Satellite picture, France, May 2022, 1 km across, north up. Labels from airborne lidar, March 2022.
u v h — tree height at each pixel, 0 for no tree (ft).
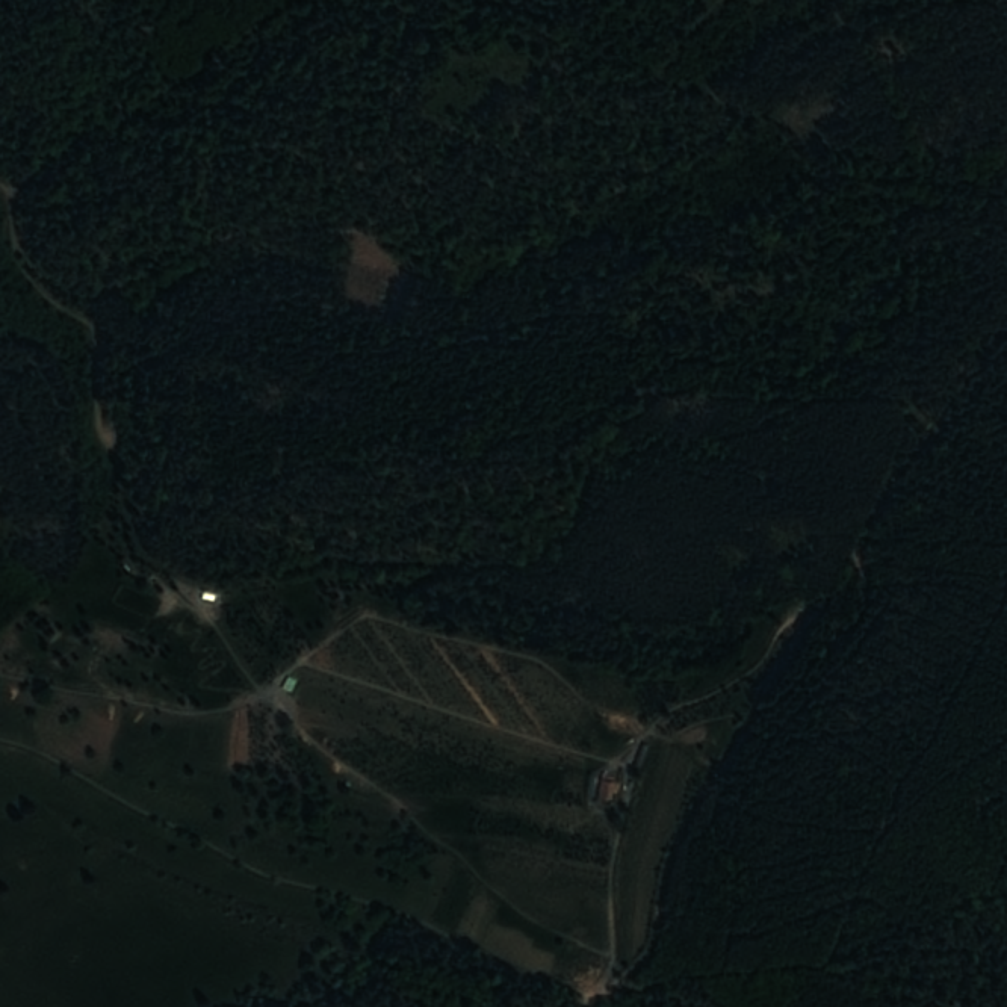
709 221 52
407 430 64
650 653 65
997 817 61
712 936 56
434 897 0
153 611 0
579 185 51
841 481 94
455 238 85
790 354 55
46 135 70
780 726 49
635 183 95
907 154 81
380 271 0
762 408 80
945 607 70
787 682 77
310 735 0
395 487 87
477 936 0
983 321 95
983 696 53
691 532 75
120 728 0
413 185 87
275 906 0
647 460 81
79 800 0
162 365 91
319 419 72
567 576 103
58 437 92
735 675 0
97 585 0
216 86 116
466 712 0
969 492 92
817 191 117
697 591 75
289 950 0
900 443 91
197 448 88
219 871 0
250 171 80
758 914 67
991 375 76
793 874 73
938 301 73
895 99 76
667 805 0
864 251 39
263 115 90
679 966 41
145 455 106
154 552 72
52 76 79
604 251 87
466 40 65
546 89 70
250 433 67
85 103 82
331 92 86
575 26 114
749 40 19
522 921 0
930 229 92
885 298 99
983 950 90
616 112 86
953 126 92
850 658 73
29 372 58
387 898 0
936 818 46
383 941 31
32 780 0
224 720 0
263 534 27
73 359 31
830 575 77
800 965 30
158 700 0
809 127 0
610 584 72
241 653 0
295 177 88
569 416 29
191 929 0
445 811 0
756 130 79
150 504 88
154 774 0
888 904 59
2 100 82
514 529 92
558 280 52
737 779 78
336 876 0
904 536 72
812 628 68
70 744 0
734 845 74
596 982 0
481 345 77
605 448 68
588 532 91
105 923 0
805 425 90
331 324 69
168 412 36
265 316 89
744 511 87
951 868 41
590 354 35
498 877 0
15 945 0
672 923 52
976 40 93
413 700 0
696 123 76
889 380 80
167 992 0
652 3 33
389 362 63
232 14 50
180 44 38
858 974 101
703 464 86
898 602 85
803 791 75
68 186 110
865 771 67
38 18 75
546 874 0
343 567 63
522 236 105
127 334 86
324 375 81
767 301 24
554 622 110
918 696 65
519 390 52
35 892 0
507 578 110
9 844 0
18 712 0
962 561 61
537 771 0
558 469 108
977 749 60
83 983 0
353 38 102
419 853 62
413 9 49
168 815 0
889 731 79
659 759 0
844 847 64
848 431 88
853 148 79
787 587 78
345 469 18
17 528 65
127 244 81
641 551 75
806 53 85
